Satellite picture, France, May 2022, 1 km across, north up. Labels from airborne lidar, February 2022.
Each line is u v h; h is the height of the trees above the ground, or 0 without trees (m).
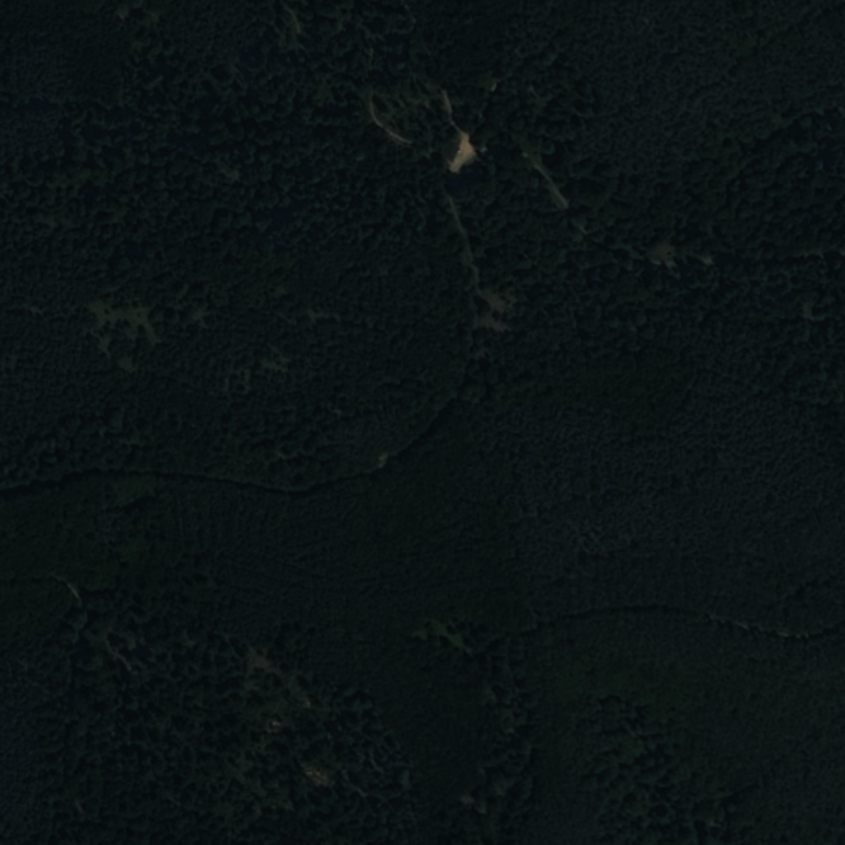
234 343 10
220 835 12
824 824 22
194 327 10
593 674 24
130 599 15
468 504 16
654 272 20
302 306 14
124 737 15
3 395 7
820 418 19
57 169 30
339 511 17
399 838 27
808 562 11
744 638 21
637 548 19
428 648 12
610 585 20
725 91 34
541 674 25
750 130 31
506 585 19
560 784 22
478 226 28
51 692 26
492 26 12
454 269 15
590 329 18
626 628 20
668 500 23
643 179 31
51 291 9
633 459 27
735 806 36
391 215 19
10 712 26
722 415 27
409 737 15
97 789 11
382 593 20
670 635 18
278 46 27
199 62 14
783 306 28
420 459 16
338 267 12
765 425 25
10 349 8
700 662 16
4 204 24
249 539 16
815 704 15
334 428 26
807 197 32
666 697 21
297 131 30
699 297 26
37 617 23
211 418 14
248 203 12
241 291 14
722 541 19
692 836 20
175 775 9
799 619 19
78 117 18
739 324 24
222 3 24
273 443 20
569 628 20
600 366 17
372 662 14
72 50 14
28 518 27
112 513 23
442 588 18
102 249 18
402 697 17
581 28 24
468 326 14
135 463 17
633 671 18
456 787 17
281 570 16
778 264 33
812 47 27
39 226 9
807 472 27
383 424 25
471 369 13
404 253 13
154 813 16
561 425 27
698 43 31
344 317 13
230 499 15
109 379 10
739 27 30
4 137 29
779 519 19
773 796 26
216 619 16
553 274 26
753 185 33
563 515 23
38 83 25
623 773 29
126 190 24
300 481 21
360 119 24
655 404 16
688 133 27
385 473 15
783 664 18
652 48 26
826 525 19
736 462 25
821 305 14
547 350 15
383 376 12
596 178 30
